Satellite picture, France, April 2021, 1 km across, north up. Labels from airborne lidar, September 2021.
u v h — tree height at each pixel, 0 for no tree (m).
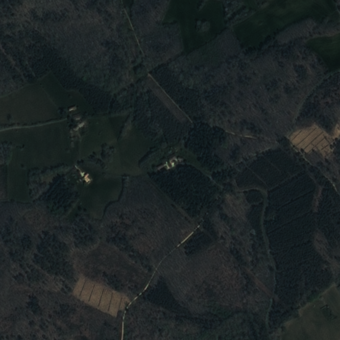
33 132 0
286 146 21
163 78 17
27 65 18
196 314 15
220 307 9
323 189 7
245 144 21
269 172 15
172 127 16
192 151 16
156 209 10
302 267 20
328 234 19
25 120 0
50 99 0
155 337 15
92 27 15
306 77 25
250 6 0
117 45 20
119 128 0
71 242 17
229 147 16
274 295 0
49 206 17
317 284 20
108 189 0
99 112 16
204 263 9
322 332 0
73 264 18
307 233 20
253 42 0
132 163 0
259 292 18
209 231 16
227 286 8
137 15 15
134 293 23
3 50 7
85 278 0
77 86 16
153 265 21
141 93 13
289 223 15
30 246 25
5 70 23
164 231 11
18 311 6
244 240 21
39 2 16
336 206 17
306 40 9
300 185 19
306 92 13
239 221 18
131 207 14
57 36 24
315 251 21
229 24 13
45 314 9
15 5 20
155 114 15
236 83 22
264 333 20
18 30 18
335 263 18
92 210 0
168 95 17
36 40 25
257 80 18
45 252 30
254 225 20
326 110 13
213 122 15
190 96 21
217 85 25
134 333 11
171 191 17
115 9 22
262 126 18
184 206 11
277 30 0
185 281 16
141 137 0
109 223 10
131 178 14
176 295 19
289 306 19
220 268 8
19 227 18
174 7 0
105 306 0
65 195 21
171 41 17
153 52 14
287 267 22
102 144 0
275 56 16
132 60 12
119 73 28
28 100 0
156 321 18
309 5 0
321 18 0
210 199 24
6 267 9
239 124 14
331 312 8
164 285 17
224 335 15
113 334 7
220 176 19
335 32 9
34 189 13
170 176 18
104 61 25
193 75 26
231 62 22
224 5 15
